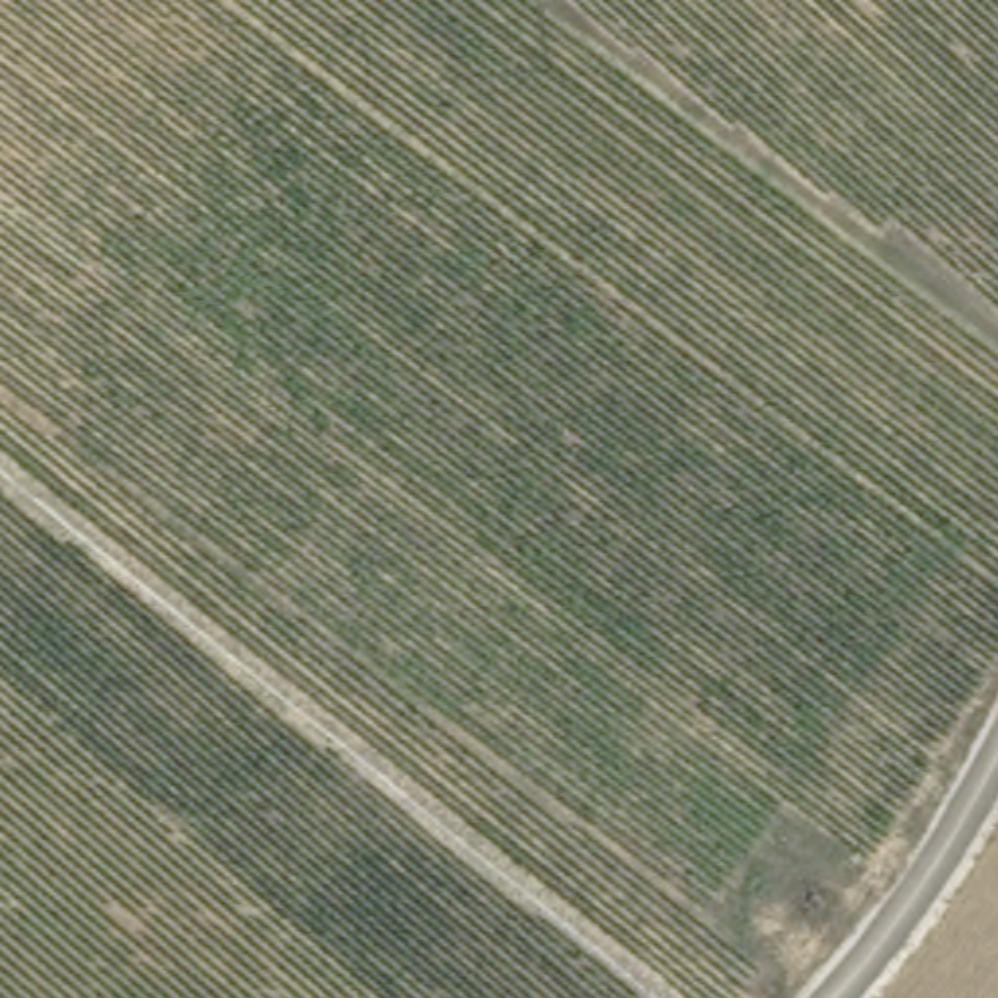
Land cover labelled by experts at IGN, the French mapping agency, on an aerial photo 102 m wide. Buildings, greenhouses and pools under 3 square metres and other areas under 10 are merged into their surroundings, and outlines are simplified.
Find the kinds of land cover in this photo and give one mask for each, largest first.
<instances>
[{"label":"vineyard","instance_id":"1","mask_svg":"<svg viewBox=\"0 0 998 998\"><path fill-rule=\"evenodd\" d=\"M990 721L998 729V0H0V998H803L799 990L807 986V979L858 924L842 893L865 873V862L877 850V842L885 834L920 838L955 768L963 764L979 725Z\"/></svg>","mask_w":998,"mask_h":998},{"label":"impervious surface","instance_id":"2","mask_svg":"<svg viewBox=\"0 0 998 998\"><path fill-rule=\"evenodd\" d=\"M998 842V729L990 721L979 725L963 764L955 768L920 838L885 834L877 842V850L865 862V873L842 893L858 924L807 979V986L799 990L803 998H885L904 963L928 940V932L943 920L951 897L971 877L975 862Z\"/></svg>","mask_w":998,"mask_h":998},{"label":"plowed land","instance_id":"3","mask_svg":"<svg viewBox=\"0 0 998 998\"><path fill-rule=\"evenodd\" d=\"M885 998H998V842L975 862L971 877L951 897L943 920L928 932V940L904 963Z\"/></svg>","mask_w":998,"mask_h":998}]
</instances>
